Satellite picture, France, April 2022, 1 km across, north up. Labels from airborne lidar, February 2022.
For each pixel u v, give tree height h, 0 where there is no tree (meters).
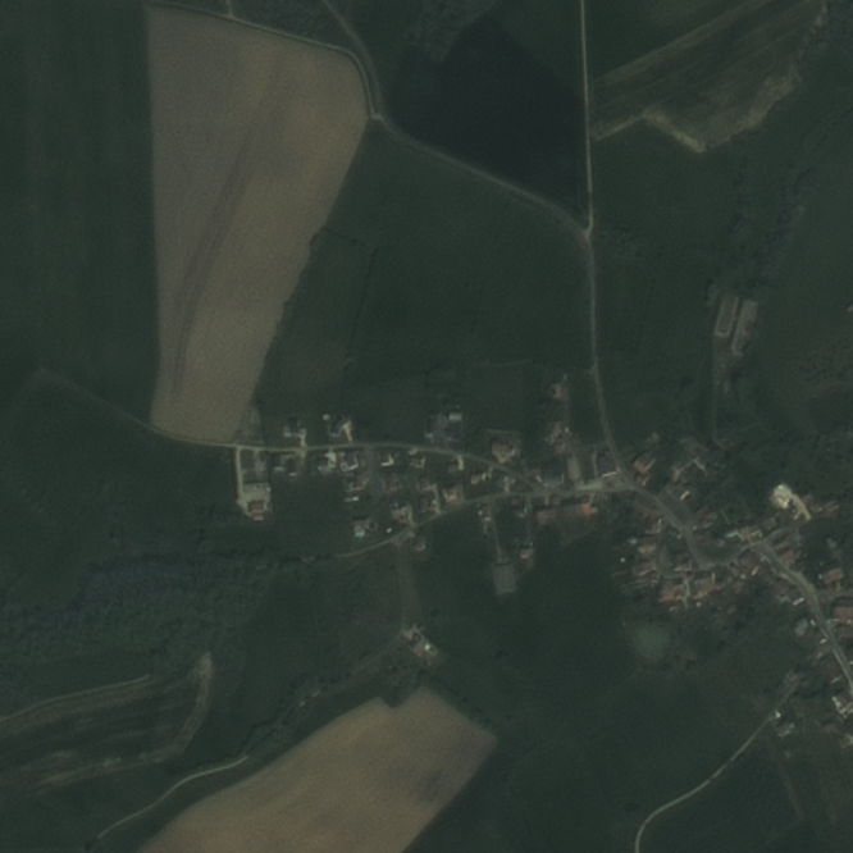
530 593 0
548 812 0
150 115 0
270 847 0
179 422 0
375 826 0
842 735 0
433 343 0
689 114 0
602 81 0
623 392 0
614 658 0
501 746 0
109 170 0
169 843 0
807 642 0
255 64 0
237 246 0
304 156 0
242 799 0
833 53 0
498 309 0
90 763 0
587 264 0
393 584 0
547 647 0
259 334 0
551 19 0
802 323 0
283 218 0
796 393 0
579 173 0
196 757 0
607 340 0
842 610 0
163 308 0
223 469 0
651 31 0
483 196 0
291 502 0
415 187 0
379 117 0
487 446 0
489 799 0
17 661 9
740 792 0
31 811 0
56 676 0
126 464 0
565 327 0
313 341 0
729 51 0
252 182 0
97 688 0
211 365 0
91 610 23
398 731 0
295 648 0
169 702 0
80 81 0
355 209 0
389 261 0
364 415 0
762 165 0
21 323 0
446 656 0
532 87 0
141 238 0
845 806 0
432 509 0
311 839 0
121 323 0
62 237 0
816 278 0
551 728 0
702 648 0
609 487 0
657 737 0
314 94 0
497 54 0
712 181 0
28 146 0
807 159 0
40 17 0
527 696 0
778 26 0
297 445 0
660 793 0
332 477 0
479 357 0
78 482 0
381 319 0
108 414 0
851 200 0
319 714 0
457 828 0
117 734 0
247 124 0
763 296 17
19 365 0
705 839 0
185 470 0
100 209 0
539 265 0
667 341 0
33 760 0
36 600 0
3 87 0
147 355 0
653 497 0
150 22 0
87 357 0
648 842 0
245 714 0
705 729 0
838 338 0
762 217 0
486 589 0
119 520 8
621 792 0
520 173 0
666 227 0
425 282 0
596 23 0
